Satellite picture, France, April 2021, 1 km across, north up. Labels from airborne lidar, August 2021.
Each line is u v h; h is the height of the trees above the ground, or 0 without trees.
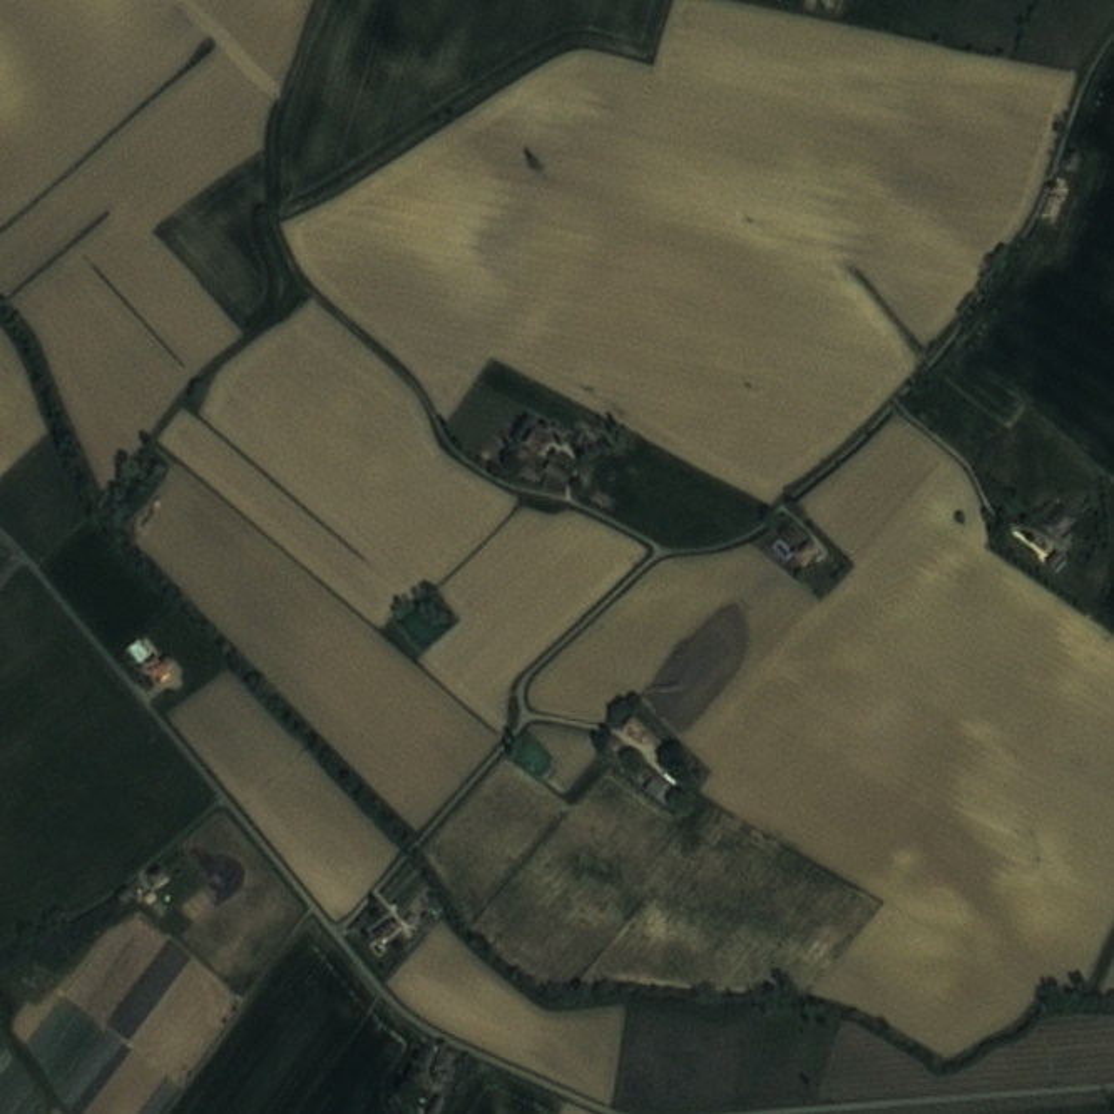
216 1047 0
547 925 0
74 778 0
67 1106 0
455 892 0
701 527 0
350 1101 0
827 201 0
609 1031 0
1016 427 0
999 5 0
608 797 0
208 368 0
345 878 0
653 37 0
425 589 10
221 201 0
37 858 0
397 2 0
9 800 0
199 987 0
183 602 20
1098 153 0
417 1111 0
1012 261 11
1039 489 0
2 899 0
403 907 0
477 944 11
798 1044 0
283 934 0
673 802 16
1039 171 0
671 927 0
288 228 0
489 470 9
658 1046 0
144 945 0
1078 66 0
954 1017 0
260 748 0
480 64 0
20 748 0
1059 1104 9
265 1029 0
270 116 0
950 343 0
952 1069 9
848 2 0
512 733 0
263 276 0
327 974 0
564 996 17
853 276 0
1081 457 0
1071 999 16
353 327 0
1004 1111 10
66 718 0
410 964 0
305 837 0
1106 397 0
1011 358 0
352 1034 0
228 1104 0
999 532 15
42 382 12
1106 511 7
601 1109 0
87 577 0
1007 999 0
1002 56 8
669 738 0
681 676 0
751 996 6
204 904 0
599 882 0
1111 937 0
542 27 0
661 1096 0
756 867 0
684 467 0
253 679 14
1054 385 0
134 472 19
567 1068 0
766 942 0
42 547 0
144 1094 0
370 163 0
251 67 0
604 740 10
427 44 0
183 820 0
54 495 0
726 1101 0
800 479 0
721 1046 0
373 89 0
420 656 0
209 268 0
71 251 0
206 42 0
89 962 0
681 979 0
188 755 0
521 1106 0
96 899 0
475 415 0
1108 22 0
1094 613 0
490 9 0
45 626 0
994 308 0
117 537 17
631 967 0
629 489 0
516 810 0
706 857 0
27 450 0
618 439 10
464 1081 6
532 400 0
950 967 0
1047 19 0
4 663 0
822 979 0
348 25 0
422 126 0
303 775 0
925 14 0
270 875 0
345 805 0
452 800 0
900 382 0
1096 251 0
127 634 0
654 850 0
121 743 0
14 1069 0
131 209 0
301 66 0
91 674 0
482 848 0
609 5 0
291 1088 0
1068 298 0
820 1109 0
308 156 0
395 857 0
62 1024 0
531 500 0
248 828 0
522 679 0
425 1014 0
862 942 0
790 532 14
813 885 0
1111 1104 6
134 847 0
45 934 17
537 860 0
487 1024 0
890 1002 0
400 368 0
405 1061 0
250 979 0
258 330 0
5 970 12
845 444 0
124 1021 0
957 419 0
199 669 0
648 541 0
